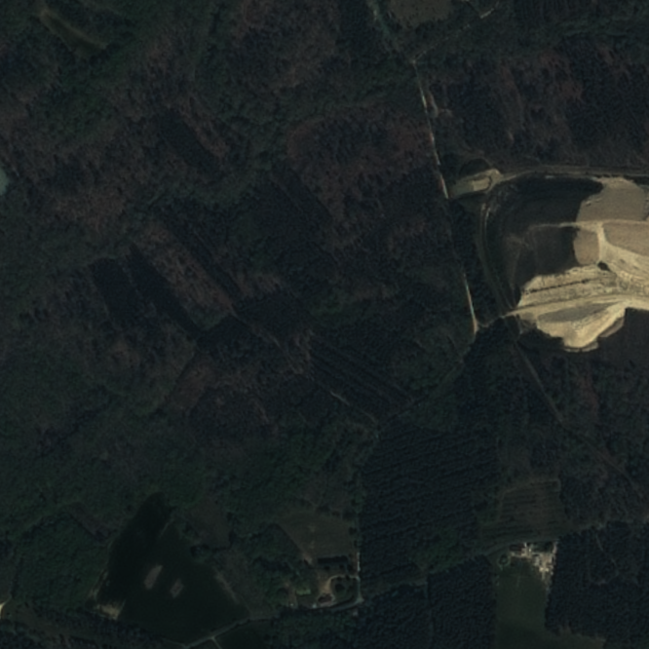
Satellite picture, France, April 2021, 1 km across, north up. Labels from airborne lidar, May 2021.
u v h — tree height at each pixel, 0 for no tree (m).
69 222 14
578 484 16
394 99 7
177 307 11
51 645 8
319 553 0
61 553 18
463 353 15
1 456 16
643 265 0
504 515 0
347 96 15
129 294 9
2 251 22
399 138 7
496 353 16
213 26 10
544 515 0
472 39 22
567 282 0
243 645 0
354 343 13
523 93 20
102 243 14
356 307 9
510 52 22
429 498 22
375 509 21
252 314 16
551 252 0
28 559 18
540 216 0
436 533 22
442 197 21
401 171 10
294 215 16
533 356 11
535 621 0
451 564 7
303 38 8
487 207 0
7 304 18
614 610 19
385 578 22
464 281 13
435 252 19
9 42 12
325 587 0
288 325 14
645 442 9
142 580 0
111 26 22
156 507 0
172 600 0
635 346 0
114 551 0
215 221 18
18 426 18
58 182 15
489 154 23
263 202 17
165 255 16
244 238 19
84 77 24
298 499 13
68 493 18
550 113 14
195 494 17
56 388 20
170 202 9
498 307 17
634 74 20
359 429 8
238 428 14
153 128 25
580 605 18
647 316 0
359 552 12
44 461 20
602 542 11
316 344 14
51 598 18
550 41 8
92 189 8
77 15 23
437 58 20
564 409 16
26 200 15
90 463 18
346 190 9
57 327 9
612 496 16
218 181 10
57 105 29
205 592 0
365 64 11
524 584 0
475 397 12
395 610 18
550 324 0
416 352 13
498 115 22
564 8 20
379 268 15
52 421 16
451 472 21
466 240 22
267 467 11
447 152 13
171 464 22
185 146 14
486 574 16
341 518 10
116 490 17
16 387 17
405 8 0
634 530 7
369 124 10
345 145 15
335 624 12
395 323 14
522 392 9
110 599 0
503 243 0
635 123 20
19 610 7
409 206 14
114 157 7
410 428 21
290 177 14
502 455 13
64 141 10
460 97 21
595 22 10
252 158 15
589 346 0
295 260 19
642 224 0
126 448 13
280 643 6
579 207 0
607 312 0
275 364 22
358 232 15
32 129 8
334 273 16
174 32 16
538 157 10
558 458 22
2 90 24
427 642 21
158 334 17
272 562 11
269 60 19
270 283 9
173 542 0
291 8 6
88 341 12
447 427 17
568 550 16
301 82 15
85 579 18
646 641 11
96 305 14
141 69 22
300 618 18
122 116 18
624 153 17
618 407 12
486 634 19
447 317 11
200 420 11
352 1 16
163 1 22
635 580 11
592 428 12
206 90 21
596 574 12
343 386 14
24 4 20
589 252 0
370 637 22
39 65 18
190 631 0
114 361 13
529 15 16
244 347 23
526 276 0
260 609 14
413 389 11
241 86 24
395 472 23
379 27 16
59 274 22
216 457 14
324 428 21
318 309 18
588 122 19
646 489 24
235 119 9
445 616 19
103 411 19
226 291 14
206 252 16
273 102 15
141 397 24
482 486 19
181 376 7
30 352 20
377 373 14
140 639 16
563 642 0
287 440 20
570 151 15
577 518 14
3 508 18
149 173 18
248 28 9
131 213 11
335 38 21
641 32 9
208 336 11
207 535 0
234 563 11
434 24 8
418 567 21
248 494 16
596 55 19
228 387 7
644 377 7
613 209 0
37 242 13
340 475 14
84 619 16
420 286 14
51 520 12
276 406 12
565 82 7
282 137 18
